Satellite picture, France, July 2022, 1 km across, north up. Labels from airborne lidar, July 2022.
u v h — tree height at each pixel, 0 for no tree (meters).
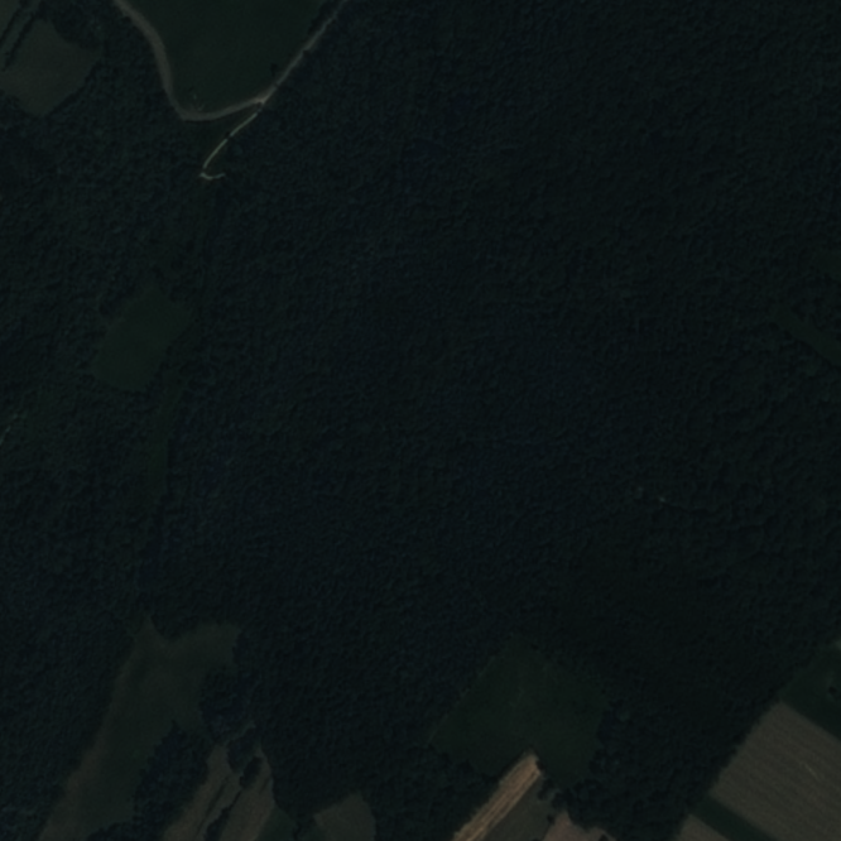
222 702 9
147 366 0
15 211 11
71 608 30
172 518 20
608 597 16
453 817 22
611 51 19
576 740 0
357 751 20
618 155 23
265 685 19
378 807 17
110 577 28
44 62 0
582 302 16
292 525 17
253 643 21
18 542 16
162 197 17
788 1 19
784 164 16
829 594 23
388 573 21
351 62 30
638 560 19
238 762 18
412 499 17
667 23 16
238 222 22
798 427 21
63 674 18
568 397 21
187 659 0
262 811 0
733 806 0
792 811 0
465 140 20
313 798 23
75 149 7
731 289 16
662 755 21
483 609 15
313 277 22
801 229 14
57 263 14
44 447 8
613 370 28
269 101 0
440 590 18
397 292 17
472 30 25
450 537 22
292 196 24
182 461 21
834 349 0
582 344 24
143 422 7
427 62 23
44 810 11
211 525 15
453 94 7
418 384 17
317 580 20
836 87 10
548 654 18
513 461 25
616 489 18
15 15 6
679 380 22
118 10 13
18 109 7
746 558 30
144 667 0
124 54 16
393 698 15
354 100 32
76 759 17
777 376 24
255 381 18
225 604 19
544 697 0
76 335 11
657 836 22
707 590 18
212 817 0
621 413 27
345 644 19
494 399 16
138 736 0
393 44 26
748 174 10
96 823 0
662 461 15
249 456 14
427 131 28
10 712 24
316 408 17
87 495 19
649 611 12
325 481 24
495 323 17
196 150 8
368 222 25
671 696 11
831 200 16
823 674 0
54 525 17
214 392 24
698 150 22
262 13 0
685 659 18
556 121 20
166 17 0
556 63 20
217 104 0
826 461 21
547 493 24
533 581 20
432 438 17
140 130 8
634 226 23
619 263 20
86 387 9
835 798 0
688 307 24
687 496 17
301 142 28
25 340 16
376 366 16
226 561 16
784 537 26
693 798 22
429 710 16
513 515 19
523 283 16
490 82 28
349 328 17
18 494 12
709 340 24
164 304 0
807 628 26
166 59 0
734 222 16
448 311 22
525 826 0
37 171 14
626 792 26
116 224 14
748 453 20
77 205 12
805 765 0
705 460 22
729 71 20
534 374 19
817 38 12
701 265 19
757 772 0
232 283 20
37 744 14
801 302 23
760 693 12
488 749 0
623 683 19
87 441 11
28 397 10
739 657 11
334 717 20
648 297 21
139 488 15
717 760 16
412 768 25
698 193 22
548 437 18
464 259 17
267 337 23
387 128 23
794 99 13
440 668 20
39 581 27
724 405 16
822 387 28
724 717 9
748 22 13
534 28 22
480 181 13
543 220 21
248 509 18
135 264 23
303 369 20
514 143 19
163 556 24
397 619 21
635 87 16
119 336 0
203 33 0
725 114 21
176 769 24
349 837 0
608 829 16
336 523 17
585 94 22
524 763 0
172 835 0
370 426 20
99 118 18
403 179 30
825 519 24
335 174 26
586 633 10
